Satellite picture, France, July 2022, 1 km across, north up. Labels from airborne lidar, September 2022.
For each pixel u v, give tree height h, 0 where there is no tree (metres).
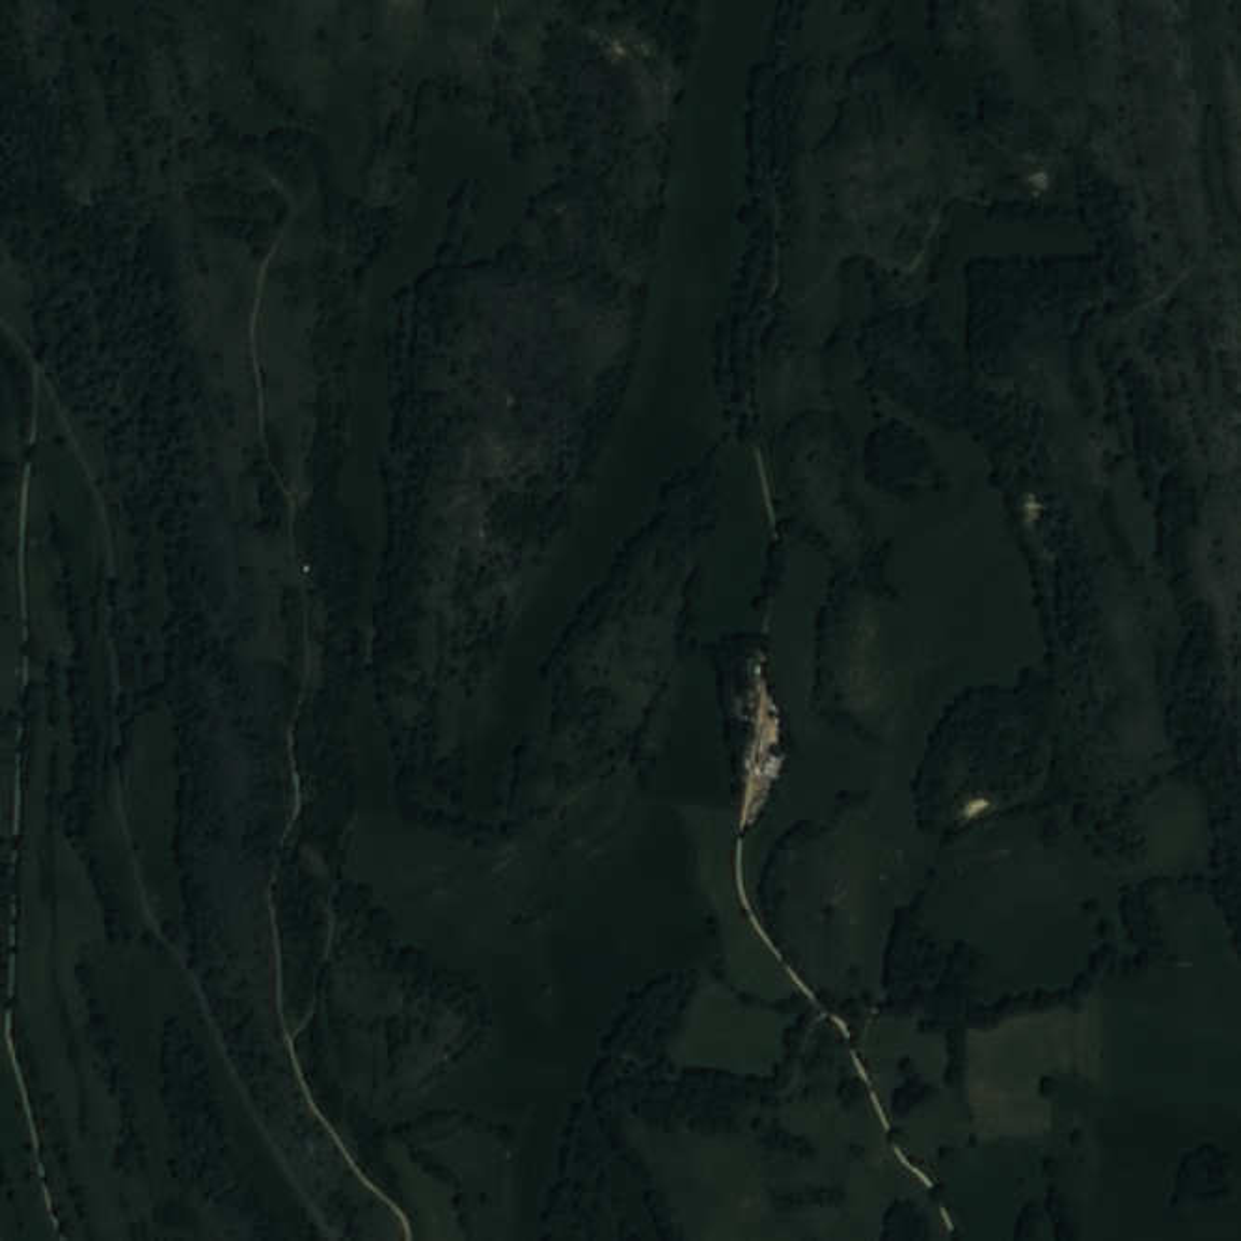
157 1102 0
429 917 0
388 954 9
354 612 14
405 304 15
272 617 0
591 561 0
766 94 18
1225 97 0
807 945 0
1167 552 14
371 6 0
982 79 9
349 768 13
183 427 7
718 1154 0
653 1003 13
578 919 0
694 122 0
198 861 7
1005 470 12
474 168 0
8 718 6
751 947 0
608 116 7
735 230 0
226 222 7
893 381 12
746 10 0
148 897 0
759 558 0
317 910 6
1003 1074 0
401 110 6
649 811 0
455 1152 0
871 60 7
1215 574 0
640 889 0
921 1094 14
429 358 10
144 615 8
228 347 0
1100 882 0
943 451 0
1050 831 12
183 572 13
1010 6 0
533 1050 0
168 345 7
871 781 0
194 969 13
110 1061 8
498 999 0
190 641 11
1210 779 13
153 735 0
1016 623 0
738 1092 15
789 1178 0
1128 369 11
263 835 11
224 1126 12
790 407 0
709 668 0
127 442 18
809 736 0
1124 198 8
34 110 7
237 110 0
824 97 0
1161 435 10
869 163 0
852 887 0
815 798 0
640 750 11
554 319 6
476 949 0
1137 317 0
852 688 0
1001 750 8
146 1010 0
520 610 0
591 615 14
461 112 0
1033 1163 0
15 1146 0
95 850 7
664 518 12
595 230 7
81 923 0
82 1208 8
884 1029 0
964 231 0
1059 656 8
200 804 13
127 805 0
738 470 0
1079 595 14
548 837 0
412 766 13
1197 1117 0
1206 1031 0
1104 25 0
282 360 0
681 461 0
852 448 9
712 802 0
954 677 0
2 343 8
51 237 12
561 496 11
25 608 0
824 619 14
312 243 0
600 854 0
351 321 10
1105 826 13
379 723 0
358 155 0
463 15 0
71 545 16
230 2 0
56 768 7
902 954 15
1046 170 0
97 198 10
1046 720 11
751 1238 0
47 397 0
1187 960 0
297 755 7
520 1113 0
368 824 0
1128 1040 0
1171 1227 0
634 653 7
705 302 0
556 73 9
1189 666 13
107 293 9
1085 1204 0
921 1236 9
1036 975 0
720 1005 0
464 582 9
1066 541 9
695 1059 0
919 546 0
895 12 8
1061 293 12
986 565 0
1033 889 0
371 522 0
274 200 7
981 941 0
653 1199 14
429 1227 0
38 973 0
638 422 0
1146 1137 0
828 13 0
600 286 7
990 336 17
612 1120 12
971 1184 0
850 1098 10
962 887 0
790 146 14
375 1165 10
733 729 16
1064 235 0
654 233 7
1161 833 0
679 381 0
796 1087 0
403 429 13
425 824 11
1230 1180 7
